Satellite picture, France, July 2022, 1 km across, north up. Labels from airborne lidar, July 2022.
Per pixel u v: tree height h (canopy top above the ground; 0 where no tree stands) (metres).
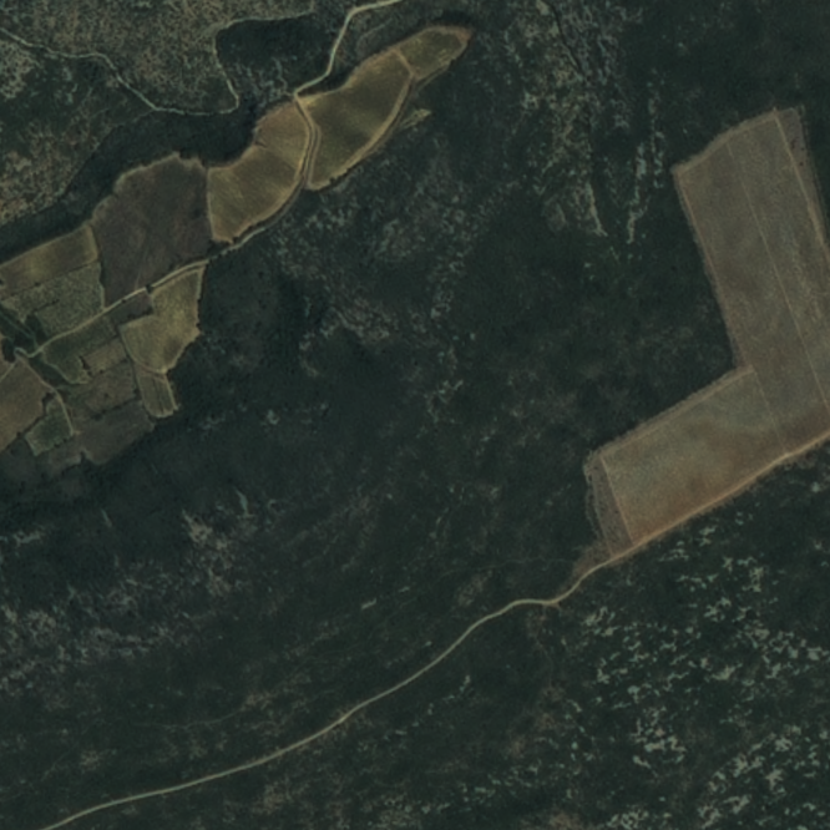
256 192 0
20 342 9
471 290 0
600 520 0
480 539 0
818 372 0
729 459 0
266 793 0
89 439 0
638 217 0
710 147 0
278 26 8
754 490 0
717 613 0
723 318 0
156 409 0
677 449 0
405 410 0
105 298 0
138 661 0
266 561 0
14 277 0
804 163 0
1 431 0
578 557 0
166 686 0
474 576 0
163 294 0
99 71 11
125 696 0
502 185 0
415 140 0
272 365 6
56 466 0
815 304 0
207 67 0
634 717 0
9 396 0
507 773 0
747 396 0
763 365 0
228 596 0
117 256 0
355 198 0
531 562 0
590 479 0
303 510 0
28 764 0
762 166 0
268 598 0
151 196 0
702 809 0
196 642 0
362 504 0
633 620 0
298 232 0
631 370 0
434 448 0
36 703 0
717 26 0
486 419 0
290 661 0
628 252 0
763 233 0
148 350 0
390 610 0
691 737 0
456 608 0
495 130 0
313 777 0
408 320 0
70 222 6
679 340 0
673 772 0
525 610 0
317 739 0
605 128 0
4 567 6
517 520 0
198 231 0
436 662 0
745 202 0
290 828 0
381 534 0
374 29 0
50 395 8
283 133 0
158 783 0
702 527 0
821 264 0
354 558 0
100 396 0
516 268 0
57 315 0
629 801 0
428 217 0
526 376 0
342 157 0
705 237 0
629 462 0
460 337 0
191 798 0
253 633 0
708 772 0
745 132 0
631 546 0
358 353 6
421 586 0
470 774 0
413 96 0
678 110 0
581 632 0
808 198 0
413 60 0
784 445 0
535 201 0
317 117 0
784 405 0
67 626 0
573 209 0
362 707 0
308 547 0
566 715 0
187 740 0
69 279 0
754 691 0
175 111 7
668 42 0
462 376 0
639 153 0
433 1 0
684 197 0
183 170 0
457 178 0
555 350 0
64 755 0
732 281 0
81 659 0
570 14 0
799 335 0
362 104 0
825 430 0
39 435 0
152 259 0
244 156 0
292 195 0
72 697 0
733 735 0
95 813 0
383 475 0
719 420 0
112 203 0
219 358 6
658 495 0
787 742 0
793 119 0
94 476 6
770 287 0
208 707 0
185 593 0
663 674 0
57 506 6
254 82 0
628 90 0
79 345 0
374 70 0
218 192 0
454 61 7
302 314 6
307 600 0
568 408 0
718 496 0
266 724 0
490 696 0
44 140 6
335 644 0
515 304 0
